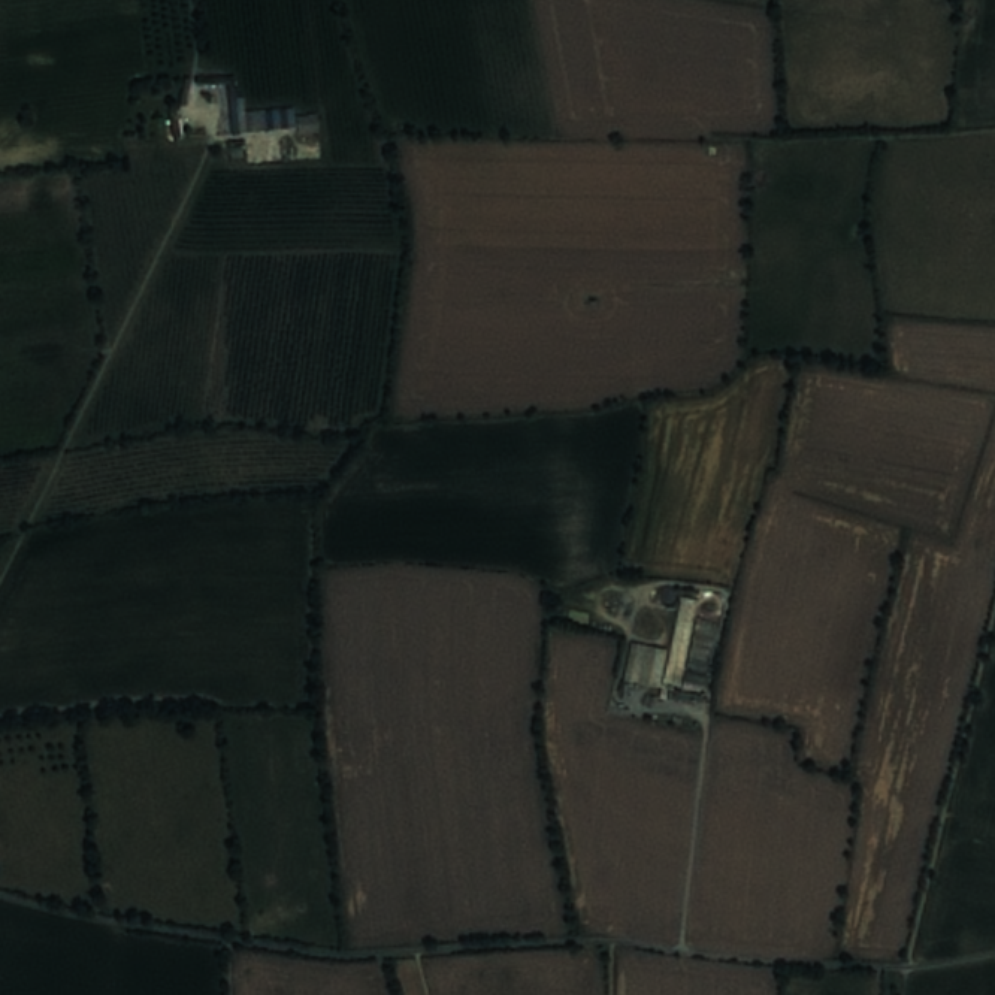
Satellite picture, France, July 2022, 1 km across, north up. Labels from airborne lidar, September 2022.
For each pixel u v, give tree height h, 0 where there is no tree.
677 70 0
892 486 0
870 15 0
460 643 0
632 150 0
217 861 0
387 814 0
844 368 16
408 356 0
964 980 0
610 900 0
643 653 0
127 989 0
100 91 0
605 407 12
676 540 0
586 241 0
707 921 0
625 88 0
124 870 0
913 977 0
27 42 0
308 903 0
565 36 0
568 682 0
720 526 0
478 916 0
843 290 0
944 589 0
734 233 0
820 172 0
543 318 0
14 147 0
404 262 11
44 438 0
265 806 0
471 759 0
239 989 0
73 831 0
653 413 0
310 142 0
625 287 0
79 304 0
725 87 0
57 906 17
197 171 0
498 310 0
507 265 0
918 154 0
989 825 0
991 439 0
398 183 22
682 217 0
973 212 0
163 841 0
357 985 0
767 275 0
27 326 0
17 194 0
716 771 0
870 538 0
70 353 0
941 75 0
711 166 0
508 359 0
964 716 5
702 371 0
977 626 0
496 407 0
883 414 0
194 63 0
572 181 0
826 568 0
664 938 0
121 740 0
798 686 0
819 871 0
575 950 13
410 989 0
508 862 0
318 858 0
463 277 0
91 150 0
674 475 0
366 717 0
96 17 0
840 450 0
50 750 10
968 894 0
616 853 0
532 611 0
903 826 0
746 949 0
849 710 0
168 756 0
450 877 0
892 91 0
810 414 0
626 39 0
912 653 0
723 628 7
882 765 0
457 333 0
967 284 0
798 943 0
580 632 7
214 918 0
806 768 10
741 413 0
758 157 0
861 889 0
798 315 0
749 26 0
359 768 0
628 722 0
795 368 20
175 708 23
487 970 0
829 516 0
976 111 0
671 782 0
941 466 0
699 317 0
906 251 0
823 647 0
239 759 0
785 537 0
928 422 0
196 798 0
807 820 0
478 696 0
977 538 0
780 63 7
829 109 0
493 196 0
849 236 0
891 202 0
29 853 0
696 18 0
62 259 0
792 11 0
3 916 0
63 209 0
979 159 0
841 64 0
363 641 0
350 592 0
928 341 0
